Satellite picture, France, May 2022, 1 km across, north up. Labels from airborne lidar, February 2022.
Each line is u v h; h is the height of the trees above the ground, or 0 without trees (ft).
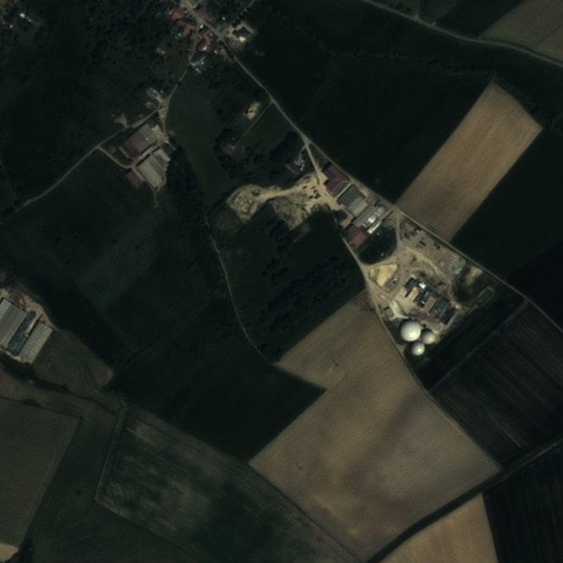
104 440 0
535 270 0
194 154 0
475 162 0
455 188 0
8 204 0
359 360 0
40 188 0
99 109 0
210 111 0
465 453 0
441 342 0
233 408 0
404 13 0
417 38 0
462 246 0
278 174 40
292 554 0
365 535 0
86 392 0
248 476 0
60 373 0
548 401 0
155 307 0
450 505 0
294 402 0
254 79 0
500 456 0
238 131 0
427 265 0
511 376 0
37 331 0
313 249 0
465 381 0
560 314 0
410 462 0
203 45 0
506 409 0
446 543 0
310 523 0
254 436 0
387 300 0
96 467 0
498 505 0
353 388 0
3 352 0
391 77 0
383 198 0
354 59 0
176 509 0
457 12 0
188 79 0
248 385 0
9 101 0
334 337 0
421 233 0
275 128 0
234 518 0
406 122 0
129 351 0
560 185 0
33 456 0
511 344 0
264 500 0
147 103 0
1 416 0
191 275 0
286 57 0
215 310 0
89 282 0
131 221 0
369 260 0
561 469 0
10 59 0
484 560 0
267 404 0
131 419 0
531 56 0
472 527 0
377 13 0
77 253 0
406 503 0
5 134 0
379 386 0
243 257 0
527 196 0
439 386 0
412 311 0
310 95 0
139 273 0
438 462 0
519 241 0
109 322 0
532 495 0
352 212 0
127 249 0
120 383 0
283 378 0
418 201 0
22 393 0
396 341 0
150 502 0
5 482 0
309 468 0
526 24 0
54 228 0
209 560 0
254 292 0
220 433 0
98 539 0
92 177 0
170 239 0
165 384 0
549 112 0
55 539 0
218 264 32
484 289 0
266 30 0
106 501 0
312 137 0
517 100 0
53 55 0
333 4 0
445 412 0
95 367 0
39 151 0
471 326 0
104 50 43
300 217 0
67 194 0
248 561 0
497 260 0
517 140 0
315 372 0
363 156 0
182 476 0
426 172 0
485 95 0
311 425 0
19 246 0
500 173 0
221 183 0
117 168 0
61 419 0
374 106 0
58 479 0
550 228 0
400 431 0
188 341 0
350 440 0
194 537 0
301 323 0
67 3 0
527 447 0
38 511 0
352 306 0
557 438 0
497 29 0
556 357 0
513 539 0
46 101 0
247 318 0
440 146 0
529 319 0
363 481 0
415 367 0
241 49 0
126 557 0
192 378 0
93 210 0
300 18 0
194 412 0
